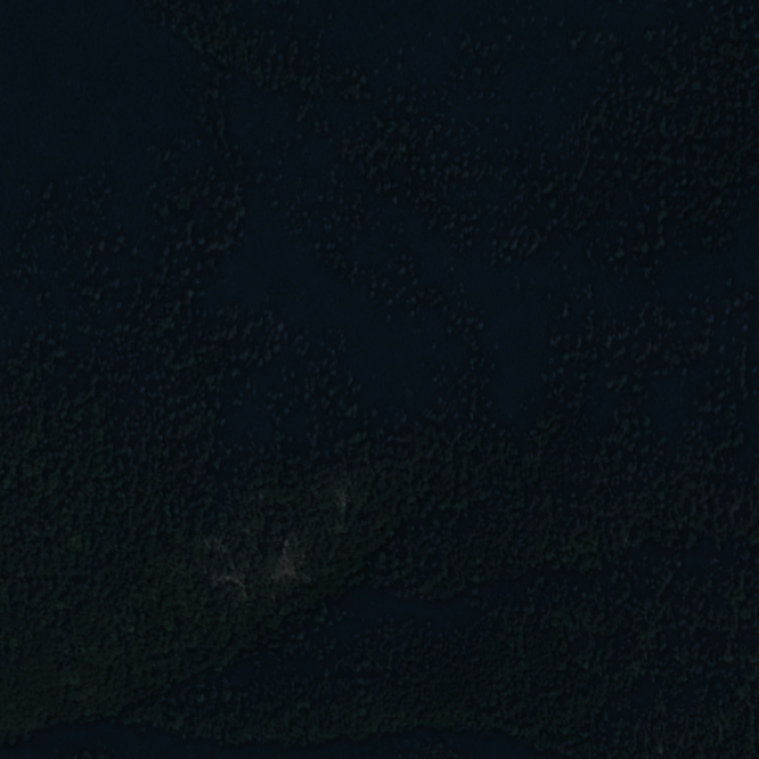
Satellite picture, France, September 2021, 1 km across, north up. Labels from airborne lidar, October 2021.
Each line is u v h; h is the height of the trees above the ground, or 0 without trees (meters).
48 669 25
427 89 13
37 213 32
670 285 9
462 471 22
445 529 30
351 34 29
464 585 22
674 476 19
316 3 24
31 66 29
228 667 23
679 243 14
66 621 22
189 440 22
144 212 24
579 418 16
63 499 20
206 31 27
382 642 23
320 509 23
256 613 20
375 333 39
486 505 25
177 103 30
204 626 20
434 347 16
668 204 16
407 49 27
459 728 18
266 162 18
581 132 19
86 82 23
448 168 30
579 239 16
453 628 28
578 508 27
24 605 23
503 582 24
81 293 34
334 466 17
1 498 26
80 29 20
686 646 21
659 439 7
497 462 18
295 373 30
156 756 19
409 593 19
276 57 27
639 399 11
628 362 11
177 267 11
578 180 30
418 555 26
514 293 28
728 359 25
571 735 15
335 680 17
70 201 28
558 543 20
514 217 21
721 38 29
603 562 20
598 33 8
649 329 16
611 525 25
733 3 18
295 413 18
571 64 21
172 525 40
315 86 28
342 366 7
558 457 15
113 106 32
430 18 25
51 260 30
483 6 25
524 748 16
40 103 31
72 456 22
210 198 24
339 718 23
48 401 22
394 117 28
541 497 15
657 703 15
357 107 25
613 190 17
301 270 29
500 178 34
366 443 17
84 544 20
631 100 23
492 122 21
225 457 31
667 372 13
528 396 13
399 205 27
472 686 20
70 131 30
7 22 25
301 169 27
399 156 21
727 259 10
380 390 27
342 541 27
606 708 16
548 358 17
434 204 26
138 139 22
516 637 12
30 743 27
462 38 24
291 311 24
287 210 36
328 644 23
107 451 23
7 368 41
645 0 22
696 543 12
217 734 29
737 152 18
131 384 23
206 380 21
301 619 20
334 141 30
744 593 8
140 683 19
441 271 14
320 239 14
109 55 28
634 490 22
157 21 33
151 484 29
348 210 32
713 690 21
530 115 22
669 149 15
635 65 24
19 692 24
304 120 21
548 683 15
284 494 24
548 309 27
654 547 12
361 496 20
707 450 10
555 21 18
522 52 24
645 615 10
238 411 17
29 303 28
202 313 22
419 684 26
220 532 10
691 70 27
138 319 25
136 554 22
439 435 18
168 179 32
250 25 27
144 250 28
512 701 7
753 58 27
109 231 31
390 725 11
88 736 25
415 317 25
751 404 6
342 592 20
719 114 22
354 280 32
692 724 22
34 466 19
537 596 21
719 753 8
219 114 31
